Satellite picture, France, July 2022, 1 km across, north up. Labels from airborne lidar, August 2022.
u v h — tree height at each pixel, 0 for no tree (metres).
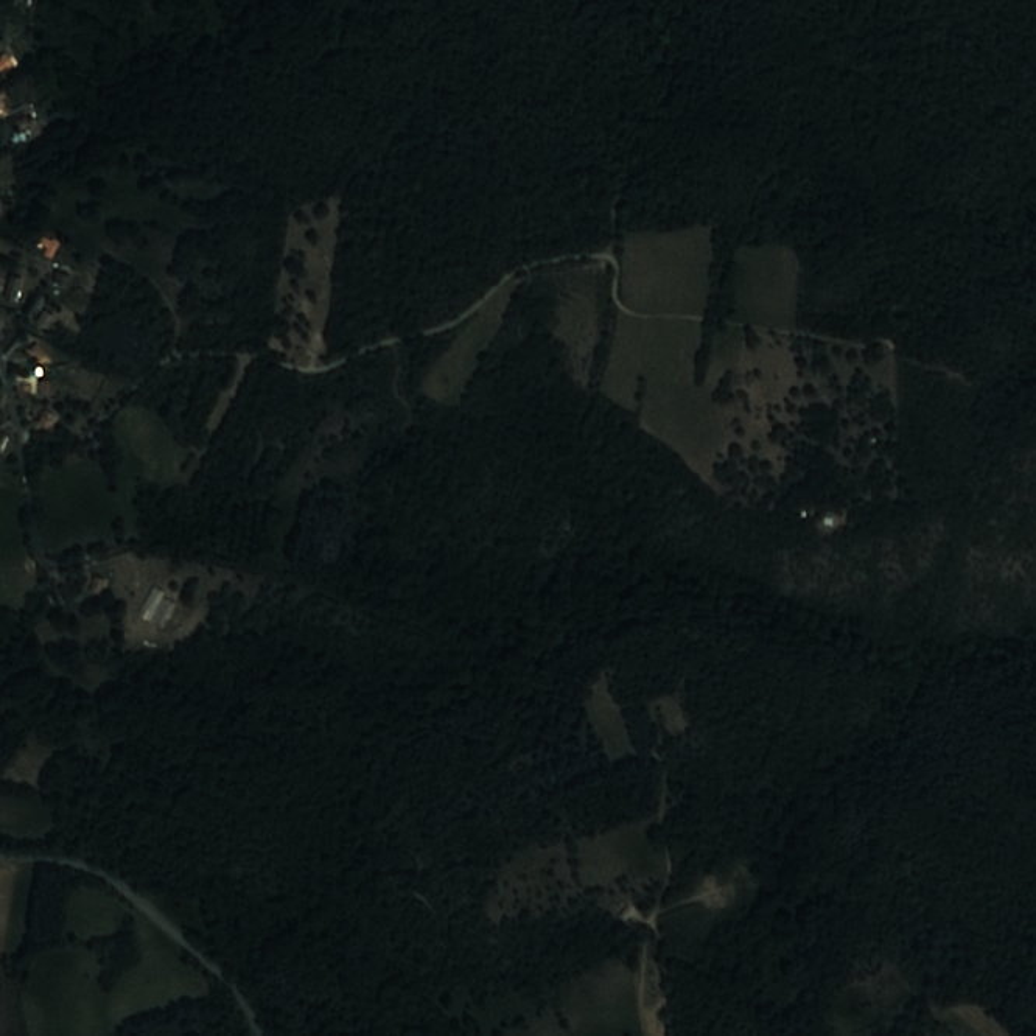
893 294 10
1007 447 8
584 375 0
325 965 10
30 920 14
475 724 27
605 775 19
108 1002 0
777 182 6
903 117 10
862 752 26
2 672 10
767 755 10
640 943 12
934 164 10
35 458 13
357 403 7
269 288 10
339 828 8
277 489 10
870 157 10
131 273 11
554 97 13
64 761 7
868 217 12
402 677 24
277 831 11
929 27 9
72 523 0
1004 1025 10
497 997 6
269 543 18
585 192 13
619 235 10
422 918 9
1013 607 7
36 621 10
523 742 11
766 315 0
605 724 0
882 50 9
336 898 16
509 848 6
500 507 6
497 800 8
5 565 0
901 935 8
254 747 15
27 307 9
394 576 21
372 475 13
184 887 9
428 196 10
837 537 6
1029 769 12
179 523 6
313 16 19
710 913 0
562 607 26
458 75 9
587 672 10
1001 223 25
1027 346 13
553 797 9
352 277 13
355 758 27
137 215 0
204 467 9
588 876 0
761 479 8
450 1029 15
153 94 24
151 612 0
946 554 7
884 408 9
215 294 8
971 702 7
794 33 10
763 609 26
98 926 0
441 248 11
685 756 7
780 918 20
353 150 12
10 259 12
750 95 7
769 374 0
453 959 11
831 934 12
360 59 18
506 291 0
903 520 6
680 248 0
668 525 8
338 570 20
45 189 20
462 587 22
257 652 24
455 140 9
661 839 17
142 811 16
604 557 11
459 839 6
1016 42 14
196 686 25
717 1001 9
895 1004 0
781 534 9
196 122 14
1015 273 20
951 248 10
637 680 7
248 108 10
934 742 9
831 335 5
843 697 11
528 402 13
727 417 0
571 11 15
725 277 13
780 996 0
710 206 9
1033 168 16
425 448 9
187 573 0
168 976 0
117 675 11
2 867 0
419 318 8
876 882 6
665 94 6
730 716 10
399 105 11
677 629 11
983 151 16
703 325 8
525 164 11
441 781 11
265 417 10
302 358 0
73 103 8
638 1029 0
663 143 9
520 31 9
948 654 22
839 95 11
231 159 11
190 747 16
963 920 10
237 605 13
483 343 0
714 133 12
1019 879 12
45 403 8
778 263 0
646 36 19
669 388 0
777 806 20
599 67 11
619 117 20
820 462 11
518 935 8
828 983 15
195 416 10
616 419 8
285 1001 13
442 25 9
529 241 10
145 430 0
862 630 18
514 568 16
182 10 9
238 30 11
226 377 20
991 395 8
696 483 8
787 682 9
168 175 11
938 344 11
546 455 16
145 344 6
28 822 0
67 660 29
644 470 10
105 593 11
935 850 9
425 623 12
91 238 0
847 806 14
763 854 21
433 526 13
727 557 9
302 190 12
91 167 14
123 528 10
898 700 22
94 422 10
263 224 10
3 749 16
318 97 13
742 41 8
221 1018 7
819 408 11
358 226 12
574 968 10
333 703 12
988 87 13
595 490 12
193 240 12
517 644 28
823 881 18
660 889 9
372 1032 14
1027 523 7
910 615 13
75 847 13
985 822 12
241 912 14
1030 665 10
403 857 7
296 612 11
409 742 14
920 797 14
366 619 8
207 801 12
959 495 6
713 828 13
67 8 12
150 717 21
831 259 7
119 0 13
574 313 0
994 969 11
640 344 0
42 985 0
